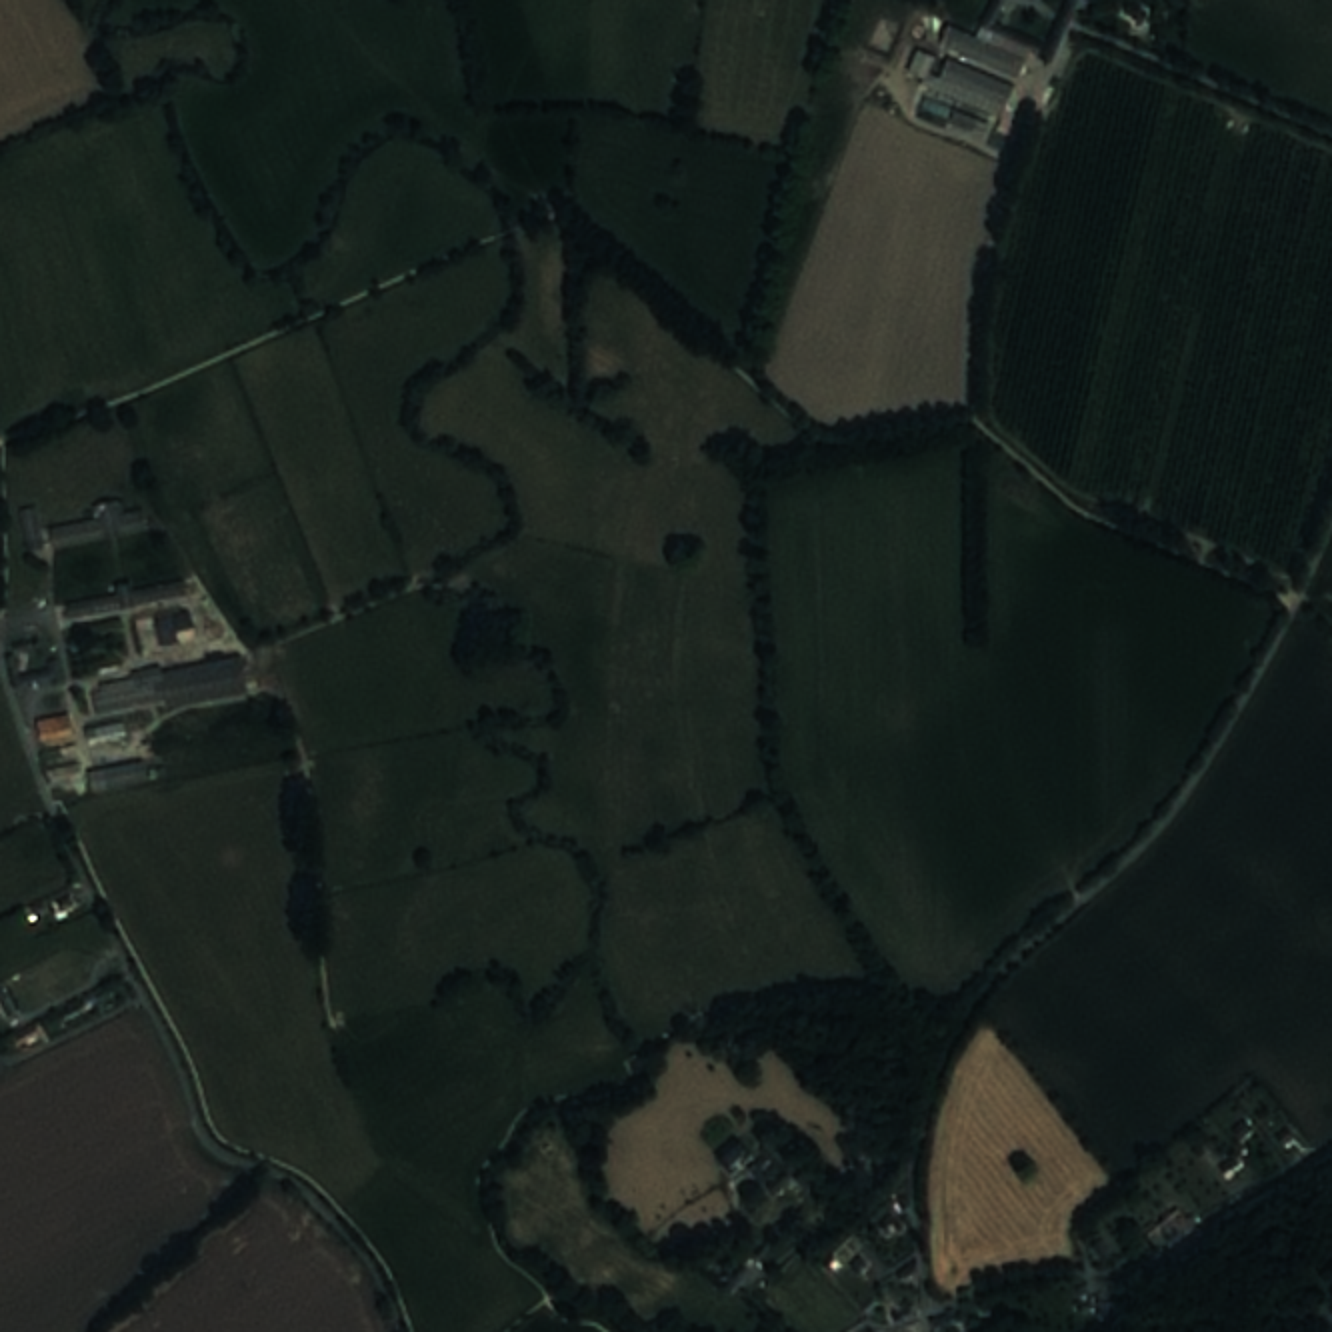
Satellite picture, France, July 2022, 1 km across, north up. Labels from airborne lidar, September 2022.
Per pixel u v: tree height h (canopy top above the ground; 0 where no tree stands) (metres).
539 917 0
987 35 0
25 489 0
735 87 0
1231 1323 25
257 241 0
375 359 0
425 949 0
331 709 0
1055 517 0
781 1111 0
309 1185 0
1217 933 0
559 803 0
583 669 0
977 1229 0
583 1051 0
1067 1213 0
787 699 0
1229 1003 0
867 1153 18
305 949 27
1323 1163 17
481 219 0
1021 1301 5
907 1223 6
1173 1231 0
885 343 0
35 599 0
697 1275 0
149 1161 0
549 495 0
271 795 0
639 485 0
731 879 0
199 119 0
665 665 0
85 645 17
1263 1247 21
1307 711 0
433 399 0
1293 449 7
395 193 0
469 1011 0
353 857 0
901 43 0
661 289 31
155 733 0
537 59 0
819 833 0
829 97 0
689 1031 18
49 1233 0
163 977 0
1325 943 0
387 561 0
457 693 0
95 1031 0
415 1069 0
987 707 0
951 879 0
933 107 0
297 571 0
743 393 0
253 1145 0
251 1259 0
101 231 0
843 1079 21
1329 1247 11
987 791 0
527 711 0
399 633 0
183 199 0
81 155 0
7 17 0
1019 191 25
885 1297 7
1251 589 13
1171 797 6
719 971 0
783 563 0
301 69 0
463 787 0
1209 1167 0
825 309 0
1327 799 0
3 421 0
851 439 19
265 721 0
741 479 12
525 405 0
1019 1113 0
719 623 0
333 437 0
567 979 16
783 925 0
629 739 0
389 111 0
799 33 0
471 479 0
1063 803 0
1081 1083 0
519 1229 0
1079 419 7
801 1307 0
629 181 0
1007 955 8
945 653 0
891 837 0
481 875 0
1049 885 0
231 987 0
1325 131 10
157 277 0
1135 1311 24
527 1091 0
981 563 11
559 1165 0
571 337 10
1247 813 0
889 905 0
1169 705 0
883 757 0
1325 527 25
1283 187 5
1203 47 0
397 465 0
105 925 19
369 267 0
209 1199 0
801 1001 27
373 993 0
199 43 0
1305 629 0
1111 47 12
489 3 0
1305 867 0
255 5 0
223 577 0
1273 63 0
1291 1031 0
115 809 0
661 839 17
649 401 0
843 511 0
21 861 0
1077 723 0
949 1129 0
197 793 0
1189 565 14
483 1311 0
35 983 0
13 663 0
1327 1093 0
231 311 0
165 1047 0
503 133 0
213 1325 0
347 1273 0
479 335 0
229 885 0
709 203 0
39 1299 0
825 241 0
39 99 0
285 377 0
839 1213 25
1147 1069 0
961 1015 15
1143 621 0
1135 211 6
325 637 0
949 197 0
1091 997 0
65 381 0
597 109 12
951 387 0
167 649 0
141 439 0
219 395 0
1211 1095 0
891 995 23
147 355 0
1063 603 0
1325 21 0
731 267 0
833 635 0
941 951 0
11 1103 0
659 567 0
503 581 0
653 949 0
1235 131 0
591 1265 0
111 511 0
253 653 0
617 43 0
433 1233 0
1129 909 0
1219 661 0
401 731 0
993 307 21
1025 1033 0
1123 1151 0
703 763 0
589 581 0
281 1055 0
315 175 0
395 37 0
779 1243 22
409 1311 0
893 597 0
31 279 0
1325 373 6
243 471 0
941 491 0
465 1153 0
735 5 0
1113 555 0
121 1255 0
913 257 0
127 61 0
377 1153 0
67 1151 0
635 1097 18
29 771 0
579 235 26
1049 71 0
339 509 0
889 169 0
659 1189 0
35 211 0
